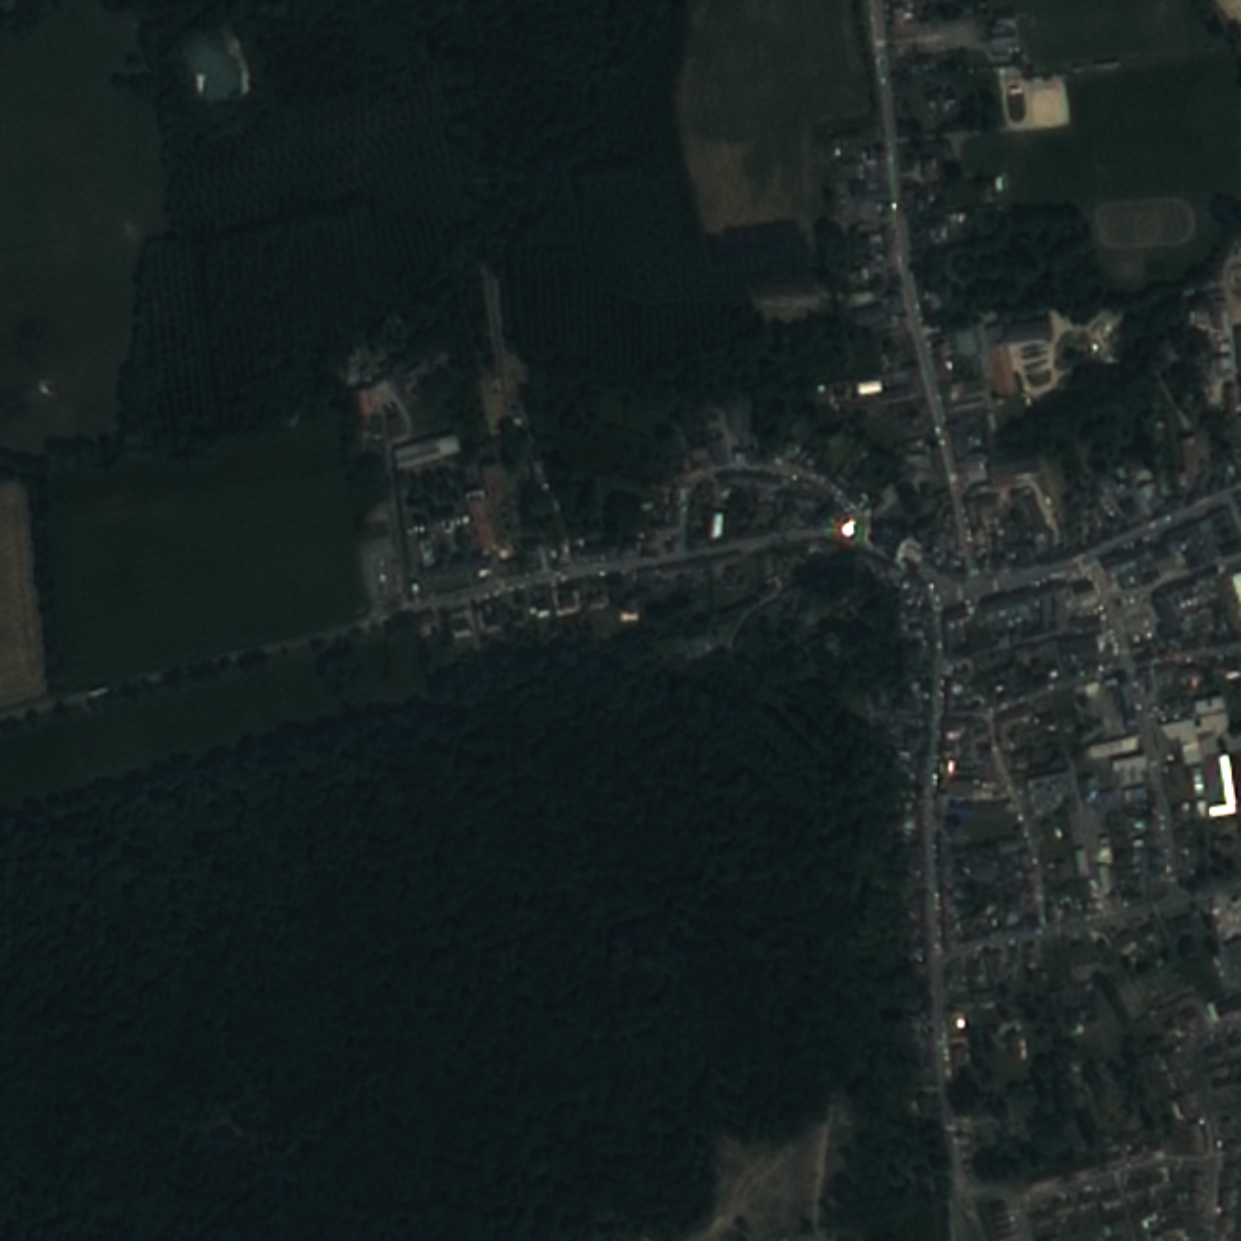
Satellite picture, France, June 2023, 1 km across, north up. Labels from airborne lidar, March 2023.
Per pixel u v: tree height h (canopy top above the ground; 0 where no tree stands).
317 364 18
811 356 20
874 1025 18
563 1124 23
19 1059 20
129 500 0
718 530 0
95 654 0
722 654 9
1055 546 0
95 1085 17
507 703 22
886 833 17
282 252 26
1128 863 0
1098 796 0
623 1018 23
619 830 22
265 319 25
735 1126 15
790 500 7
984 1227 0
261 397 25
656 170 28
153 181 0
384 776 23
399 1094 25
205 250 17
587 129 17
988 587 0
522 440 14
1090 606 0
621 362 25
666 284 28
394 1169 26
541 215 27
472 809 23
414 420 0
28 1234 22
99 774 0
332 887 24
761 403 14
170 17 9
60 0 14
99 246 0
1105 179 0
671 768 22
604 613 0
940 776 0
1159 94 0
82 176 0
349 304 27
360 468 14
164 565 0
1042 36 0
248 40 9
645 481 6
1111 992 19
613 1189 23
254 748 19
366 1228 26
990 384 0
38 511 16
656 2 22
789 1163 0
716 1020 24
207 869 19
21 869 22
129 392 20
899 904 18
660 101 28
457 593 0
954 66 8
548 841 21
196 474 0
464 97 16
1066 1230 0
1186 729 0
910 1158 17
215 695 0
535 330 27
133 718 0
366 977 25
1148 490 0
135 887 26
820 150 0
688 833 24
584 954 21
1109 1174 0
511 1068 24
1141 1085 28
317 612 0
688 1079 8
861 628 19
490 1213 21
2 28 8
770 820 21
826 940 21
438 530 0
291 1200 24
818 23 0
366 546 0
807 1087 15
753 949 20
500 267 8
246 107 7
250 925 23
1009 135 0
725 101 0
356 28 13
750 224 0
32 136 0
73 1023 22
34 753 0
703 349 23
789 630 8
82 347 0
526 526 12
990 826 0
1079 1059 0
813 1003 22
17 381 0
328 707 0
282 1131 13
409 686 0
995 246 9
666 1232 6
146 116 0
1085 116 0
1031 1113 0
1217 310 0
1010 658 7
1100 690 0
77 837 17
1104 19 0
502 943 22
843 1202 22
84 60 0
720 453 0
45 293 0
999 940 0
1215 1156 0
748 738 27
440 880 19
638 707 18
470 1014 21
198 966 24
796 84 0
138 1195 22
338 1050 23
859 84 0
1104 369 12
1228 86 0
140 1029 24
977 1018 0
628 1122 22
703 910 15
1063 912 0
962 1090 18
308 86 16
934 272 16
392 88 7
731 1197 0
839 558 13
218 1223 20
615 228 29
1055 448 18
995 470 0
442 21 15
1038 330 0
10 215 0
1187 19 0
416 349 13
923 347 0
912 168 0
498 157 15
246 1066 18
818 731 24
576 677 23
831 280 22
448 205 0
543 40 12
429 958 27
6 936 17
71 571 0
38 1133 23
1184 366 9
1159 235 0
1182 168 0
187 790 26
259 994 24
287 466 0
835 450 0
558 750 23
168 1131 17
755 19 0
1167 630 0
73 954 20
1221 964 0
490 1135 24
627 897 24
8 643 0
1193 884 9
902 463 8
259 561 0
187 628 0
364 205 16
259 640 0
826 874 22
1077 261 24
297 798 26
